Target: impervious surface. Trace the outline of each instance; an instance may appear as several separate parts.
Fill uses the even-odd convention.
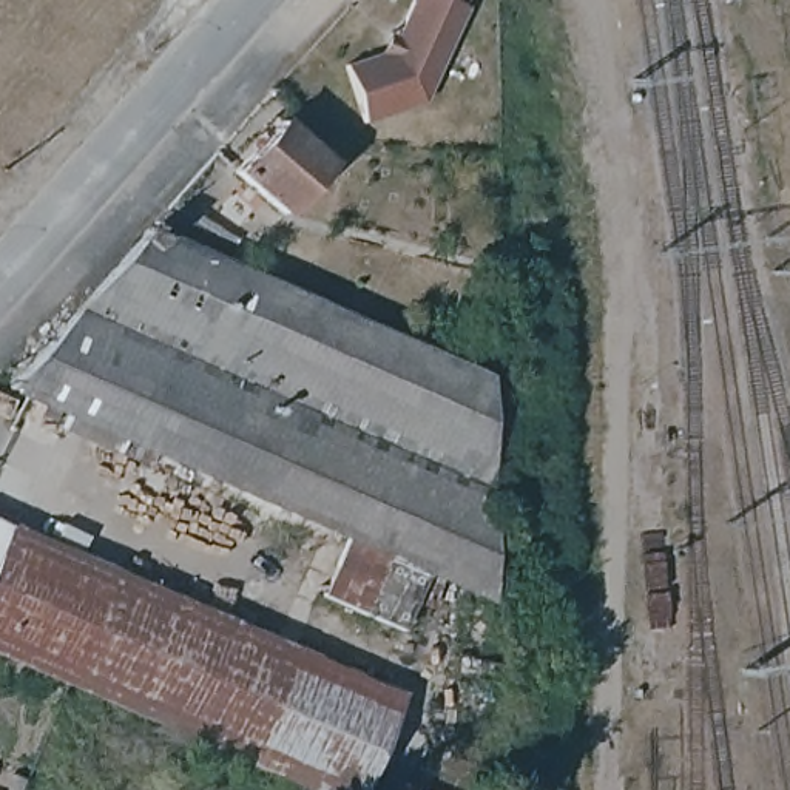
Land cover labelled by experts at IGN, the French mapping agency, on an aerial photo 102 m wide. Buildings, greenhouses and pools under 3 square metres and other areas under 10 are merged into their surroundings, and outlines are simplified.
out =
[[[256,630],[293,639],[343,667],[367,673],[376,682],[404,688],[410,701],[386,771],[380,778],[355,778],[349,787],[339,790],[460,790],[441,781],[441,756],[454,753],[463,759],[469,750],[481,731],[469,719],[457,722],[454,710],[451,682],[460,673],[481,673],[481,660],[457,654],[457,596],[451,593],[447,580],[426,580],[414,589],[414,617],[404,614],[398,620],[389,620],[343,596],[318,596],[318,583],[336,580],[343,571],[339,565],[333,565],[339,549],[339,531],[302,515],[296,525],[265,518],[259,509],[225,494],[228,481],[216,481],[201,469],[194,469],[194,478],[164,481],[164,475],[157,475],[154,469],[133,466],[130,460],[114,460],[114,451],[102,451],[93,438],[80,438],[74,429],[65,429],[62,404],[46,414],[43,404],[28,401],[19,389],[12,389],[12,373],[19,370],[19,364],[34,361],[28,339],[40,339],[40,324],[56,321],[62,302],[71,299],[71,312],[77,312],[77,306],[105,281],[105,275],[127,256],[127,250],[142,238],[145,228],[154,228],[148,247],[154,250],[167,250],[167,244],[176,238],[167,219],[173,210],[185,204],[188,194],[210,194],[216,204],[222,216],[244,225],[250,238],[256,238],[284,219],[262,198],[250,201],[244,194],[247,182],[238,179],[241,157],[272,136],[268,127],[275,127],[281,117],[284,102],[278,96],[278,83],[287,77],[284,68],[296,62],[293,49],[306,37],[312,37],[324,25],[324,19],[333,15],[346,0],[164,0],[160,6],[170,19],[170,46],[154,59],[154,65],[142,71],[133,86],[108,89],[105,83],[99,83],[93,89],[93,99],[86,99],[74,114],[74,127],[62,133],[56,142],[49,142],[43,151],[37,151],[31,160],[15,167],[9,185],[0,191],[0,518],[9,525],[25,525],[52,546],[62,546],[74,555],[99,555],[133,577],[164,583],[167,589],[182,593],[213,611],[235,614]]]

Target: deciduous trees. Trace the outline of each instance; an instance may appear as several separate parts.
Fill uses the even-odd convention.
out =
[[[188,747],[176,744],[170,753],[154,750],[148,762],[154,762],[154,775],[170,771],[170,778],[182,790],[302,790],[287,778],[262,771],[259,762],[216,759],[207,741],[191,741]]]
[[[444,231],[435,235],[435,262],[441,256],[463,253],[466,231],[463,222],[454,219]]]
[[[423,299],[407,299],[407,302],[404,302],[404,321],[407,321],[407,327],[410,327],[410,330],[426,330],[426,327],[429,327],[429,315],[426,315],[426,306],[423,306]]]
[[[296,80],[287,77],[278,83],[278,96],[284,102],[281,117],[287,117],[312,99],[312,93],[306,93]]]
[[[250,238],[247,244],[247,256],[247,265],[272,275],[275,259],[268,250],[256,244],[256,238]]]
[[[475,790],[525,790],[525,778],[491,775],[478,781]]]
[[[472,262],[472,275],[463,284],[463,293],[454,293],[457,306],[435,309],[435,339],[444,343],[444,349],[463,352],[469,358],[488,358],[500,361],[509,370],[509,383],[518,401],[509,460],[500,460],[497,478],[491,481],[491,497],[484,497],[481,503],[481,522],[494,534],[503,534],[509,549],[503,552],[500,602],[481,596],[478,605],[484,608],[488,630],[478,648],[503,654],[500,682],[478,685],[491,694],[488,710],[494,710],[494,722],[481,731],[469,750],[481,759],[494,753],[512,753],[518,747],[540,741],[543,734],[571,731],[577,707],[593,707],[596,685],[605,679],[605,667],[599,667],[599,651],[593,639],[583,639],[583,633],[577,630],[577,617],[577,602],[568,596],[568,589],[583,577],[577,565],[583,559],[586,540],[580,531],[583,518],[577,509],[577,497],[589,494],[589,423],[580,410],[580,395],[574,389],[577,302],[549,259],[531,259],[531,278],[518,284],[515,259],[497,259],[481,250],[481,256]],[[546,500],[543,509],[525,506],[515,497],[518,481],[525,475],[540,478]]]
[[[52,722],[65,691],[56,679],[34,670],[15,670],[6,657],[0,657],[0,694],[25,701],[31,725],[40,722],[40,716]]]

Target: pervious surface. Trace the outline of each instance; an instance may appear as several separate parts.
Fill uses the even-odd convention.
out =
[[[599,506],[602,525],[599,555],[605,599],[583,617],[577,617],[577,630],[583,633],[583,639],[593,639],[599,651],[599,667],[605,667],[605,679],[596,685],[593,707],[593,713],[608,716],[605,741],[596,747],[596,790],[790,790],[790,343],[781,312],[775,309],[775,296],[762,296],[759,290],[750,259],[747,219],[741,207],[738,154],[728,117],[728,83],[722,80],[719,59],[719,43],[731,40],[731,25],[722,12],[731,0],[562,0],[577,86],[586,96],[583,164],[596,188],[602,262],[608,284],[602,321],[608,414],[602,457],[605,491],[593,500]]]

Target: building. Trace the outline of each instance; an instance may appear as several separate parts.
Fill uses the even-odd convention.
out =
[[[376,682],[367,673],[343,667],[293,639],[256,630],[235,614],[213,611],[182,593],[167,589],[164,583],[133,577],[99,555],[74,555],[62,546],[52,546],[25,525],[9,525],[0,518],[0,657],[6,657],[15,670],[34,670],[56,679],[65,691],[86,691],[127,713],[157,722],[157,728],[170,734],[176,744],[188,747],[191,741],[207,741],[216,759],[259,762],[262,771],[287,778],[302,790],[339,790],[349,787],[355,778],[380,778],[386,771],[410,701],[404,688]]]
[[[154,469],[157,475],[164,475],[164,481],[194,478],[194,469],[201,469],[216,481],[228,481],[225,494],[259,509],[265,518],[296,525],[302,515],[339,531],[339,549],[333,565],[339,565],[343,571],[336,580],[318,583],[318,596],[343,596],[389,620],[398,620],[404,614],[414,617],[414,589],[426,580],[447,580],[451,593],[457,596],[481,596],[500,602],[503,552],[509,549],[503,534],[494,534],[481,522],[481,503],[484,497],[491,497],[491,481],[497,478],[500,460],[503,401],[497,373],[484,367],[488,358],[469,358],[463,352],[444,349],[410,339],[386,324],[367,321],[324,296],[315,296],[272,275],[247,265],[247,256],[235,262],[185,238],[176,238],[167,244],[167,250],[154,250],[148,247],[154,228],[145,228],[142,238],[127,250],[127,256],[105,275],[105,281],[77,306],[77,312],[71,312],[71,299],[62,302],[56,321],[40,324],[40,339],[28,339],[34,361],[19,364],[19,370],[12,373],[12,389],[19,389],[28,401],[43,404],[46,414],[62,404],[65,429],[74,429],[80,438],[93,438],[102,451],[114,451],[114,460],[130,460],[133,466]]]
[[[349,167],[309,127],[287,117],[281,117],[275,127],[268,127],[272,136],[241,157],[238,179],[247,182],[244,194],[250,201],[262,198],[284,219],[290,216],[293,201],[302,201],[312,191],[315,179],[333,185],[333,179]]]
[[[216,204],[201,216],[198,225],[222,241],[247,244],[250,238],[244,225],[222,216]]]
[[[383,25],[383,46],[358,52],[358,59],[346,68],[355,111],[367,127],[373,127],[373,133],[383,127],[386,117],[426,108],[429,96],[444,93],[451,71],[466,71],[460,52],[475,25],[481,0],[410,0],[401,19]]]

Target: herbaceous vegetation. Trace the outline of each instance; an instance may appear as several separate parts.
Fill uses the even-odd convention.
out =
[[[0,191],[9,185],[15,167],[31,160],[37,151],[43,151],[49,142],[56,142],[62,133],[74,127],[74,114],[86,99],[93,99],[93,89],[99,83],[105,83],[108,89],[133,86],[142,71],[154,65],[154,59],[170,46],[170,19],[160,6],[164,0],[0,0]]]
[[[173,210],[167,219],[176,238],[185,238],[235,262],[247,256],[247,244],[222,241],[198,225],[201,216],[216,204],[210,194],[188,194],[185,204]]]
[[[441,781],[460,790],[475,790],[478,781],[491,775],[525,778],[525,790],[596,790],[596,747],[605,741],[608,716],[593,713],[593,707],[577,707],[571,731],[543,734],[540,741],[518,747],[512,753],[494,753],[481,759],[469,750],[463,759],[454,753],[441,756]]]
[[[358,59],[358,52],[383,46],[383,25],[401,19],[410,0],[346,0],[333,15],[324,19],[324,25],[312,37],[306,37],[293,49],[296,62],[284,68],[287,77],[296,80],[306,93],[312,93],[312,99],[287,117],[309,127],[349,167],[333,179],[333,185],[315,179],[312,191],[302,201],[293,201],[290,216],[284,219],[256,238],[256,244],[268,250],[275,259],[272,275],[315,296],[324,296],[367,321],[386,324],[410,339],[444,349],[444,343],[435,339],[435,309],[457,306],[454,293],[463,293],[463,284],[472,275],[472,262],[481,256],[481,250],[497,259],[515,259],[518,284],[531,278],[531,259],[549,259],[577,302],[574,389],[580,395],[580,410],[589,423],[589,494],[577,497],[577,509],[583,518],[580,531],[586,540],[583,559],[577,565],[583,577],[568,589],[568,596],[577,602],[577,617],[583,617],[605,599],[599,555],[602,525],[599,506],[593,500],[605,491],[602,457],[608,414],[602,321],[608,284],[602,262],[596,188],[583,164],[586,96],[577,86],[562,0],[506,0],[509,6],[515,6],[515,12],[534,15],[534,52],[552,52],[552,59],[565,65],[559,74],[552,74],[552,99],[565,117],[565,139],[552,145],[552,154],[562,160],[559,188],[565,216],[522,225],[512,238],[494,238],[484,228],[466,231],[463,253],[441,256],[435,262],[435,235],[444,231],[454,219],[457,210],[451,201],[435,201],[435,182],[429,170],[392,170],[389,148],[376,148],[373,139],[404,139],[410,145],[460,142],[460,154],[469,160],[491,154],[491,139],[500,111],[503,0],[481,0],[475,25],[460,52],[466,71],[451,71],[444,93],[429,96],[426,108],[386,117],[383,127],[373,133],[373,127],[367,127],[355,111],[346,68]],[[426,330],[410,330],[410,327],[407,327],[407,321],[404,321],[404,302],[407,302],[407,299],[423,299],[423,306],[426,306],[426,315],[429,315],[429,327],[426,327]]]
[[[40,741],[52,728],[52,722],[40,716],[40,722],[31,725],[25,701],[0,694],[0,790],[25,790],[25,784],[37,775],[31,768],[22,768],[22,756],[40,750]]]
[[[157,722],[127,713],[120,722],[123,738],[111,738],[108,750],[127,765],[148,762],[154,750],[170,753],[176,744],[170,734],[157,728]]]
[[[731,0],[722,12],[731,25],[731,40],[719,43],[719,59],[722,80],[728,83],[728,117],[738,154],[741,207],[747,219],[750,259],[759,290],[762,296],[775,296],[775,309],[781,312],[790,343],[790,0]]]
[[[543,509],[546,500],[540,478],[525,475],[518,481],[515,497],[525,506]]]
[[[503,401],[500,460],[509,460],[518,401],[509,383],[509,370],[500,361],[488,358],[484,367],[497,373]]]

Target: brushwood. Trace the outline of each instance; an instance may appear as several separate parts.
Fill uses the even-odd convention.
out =
[[[552,145],[565,139],[565,117],[552,99],[552,74],[559,74],[565,65],[552,59],[552,52],[534,52],[534,15],[515,12],[515,6],[509,6],[506,0],[503,0],[500,111],[491,139],[491,154],[469,160],[460,154],[460,142],[410,145],[404,139],[373,139],[376,148],[389,148],[392,170],[429,170],[435,182],[435,201],[451,201],[457,210],[454,219],[463,222],[466,231],[484,228],[494,238],[512,238],[522,225],[565,216],[559,188],[562,160],[552,154]]]
[[[481,673],[460,673],[451,682],[454,710],[457,722],[469,719],[481,731],[494,722],[494,710],[488,710],[491,694],[478,685],[500,682],[503,654],[478,648],[488,630],[484,608],[478,605],[481,596],[457,596],[457,654],[481,660]]]
[[[127,765],[108,750],[111,738],[123,738],[120,722],[127,713],[86,691],[65,691],[52,722],[52,728],[40,741],[40,750],[22,756],[22,768],[31,768],[37,775],[25,784],[25,790],[182,790],[170,778],[170,771],[154,775],[154,762],[148,762]]]

